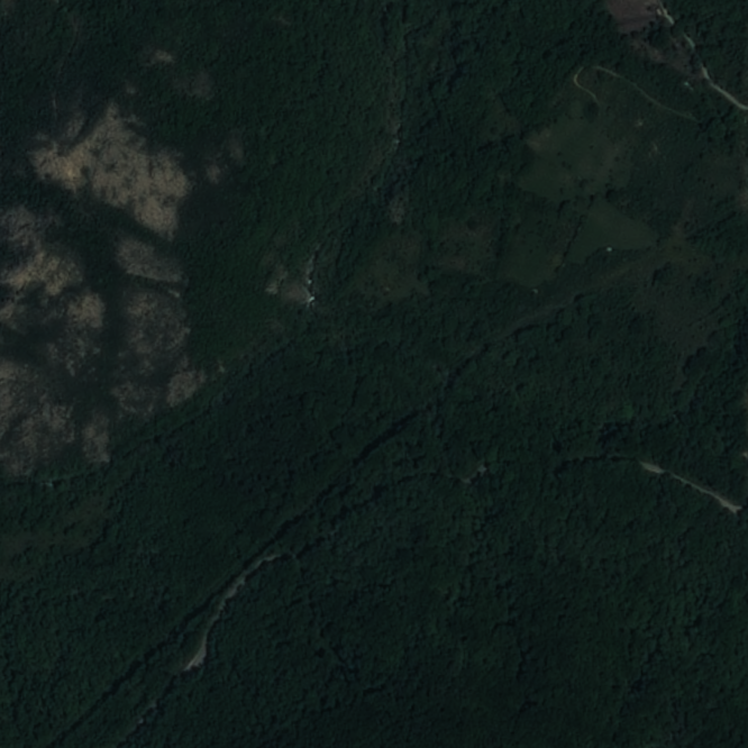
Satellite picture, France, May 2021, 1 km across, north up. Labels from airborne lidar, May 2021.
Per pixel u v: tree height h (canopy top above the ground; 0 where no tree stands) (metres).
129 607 18
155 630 17
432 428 20
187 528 16
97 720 13
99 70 7
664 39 23
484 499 16
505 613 23
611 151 0
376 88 17
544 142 0
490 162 15
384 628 26
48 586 13
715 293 13
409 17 18
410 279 0
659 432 23
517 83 16
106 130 0
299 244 9
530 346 21
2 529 18
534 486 22
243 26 5
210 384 9
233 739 24
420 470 15
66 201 6
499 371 7
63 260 0
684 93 7
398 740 25
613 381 12
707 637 23
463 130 24
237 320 9
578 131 0
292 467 18
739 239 8
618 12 0
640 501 25
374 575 20
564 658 20
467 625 27
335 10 24
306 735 26
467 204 12
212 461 19
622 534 25
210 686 24
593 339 12
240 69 24
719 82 13
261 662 22
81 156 0
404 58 15
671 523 18
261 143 22
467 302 12
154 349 0
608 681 28
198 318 10
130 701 13
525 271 0
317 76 7
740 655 25
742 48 6
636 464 19
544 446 31
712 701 28
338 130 19
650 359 14
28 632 17
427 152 8
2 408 0
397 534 21
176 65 8
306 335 19
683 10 17
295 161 19
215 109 15
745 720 30
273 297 10
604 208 0
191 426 14
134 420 8
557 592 20
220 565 16
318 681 26
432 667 23
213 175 0
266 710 23
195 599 12
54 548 10
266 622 20
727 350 22
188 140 8
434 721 20
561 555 18
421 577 18
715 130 20
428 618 24
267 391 15
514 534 11
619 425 9
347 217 12
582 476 17
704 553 19
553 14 26
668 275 11
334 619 31
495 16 21
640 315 8
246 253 16
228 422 13
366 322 13
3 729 10
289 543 16
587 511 23
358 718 33
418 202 13
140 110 6
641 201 6
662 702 27
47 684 13
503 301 6
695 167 6
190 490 16
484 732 23
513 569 23
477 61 24
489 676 31
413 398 5
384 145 9
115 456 15
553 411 21
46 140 0
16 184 8
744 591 26
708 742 27
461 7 29
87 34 8
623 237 0
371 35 18
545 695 30
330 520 8
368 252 13
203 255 15
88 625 21
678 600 21
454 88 23
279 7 10
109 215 6
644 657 24
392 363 10
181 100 12
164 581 20
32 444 0
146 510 18
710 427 13
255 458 18
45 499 13
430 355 28
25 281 0
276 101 10
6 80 13
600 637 23
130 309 0
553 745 18
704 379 8
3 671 17
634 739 32
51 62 8
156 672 26
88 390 5
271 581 17
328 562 19
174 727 23
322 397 22
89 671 22
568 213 15
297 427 21
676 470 11
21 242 0
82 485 15
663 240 6
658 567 24
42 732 16
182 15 11
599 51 13
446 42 9
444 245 8
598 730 34
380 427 17
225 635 17
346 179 7
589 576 24
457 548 33
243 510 19
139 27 10
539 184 0
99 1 12
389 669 22
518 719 31
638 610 24
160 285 8
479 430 22
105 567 23
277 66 24
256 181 7
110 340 6
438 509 26
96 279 7
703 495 19
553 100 9
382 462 18
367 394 22
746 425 15
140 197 0
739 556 26
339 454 7
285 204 16
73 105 0
